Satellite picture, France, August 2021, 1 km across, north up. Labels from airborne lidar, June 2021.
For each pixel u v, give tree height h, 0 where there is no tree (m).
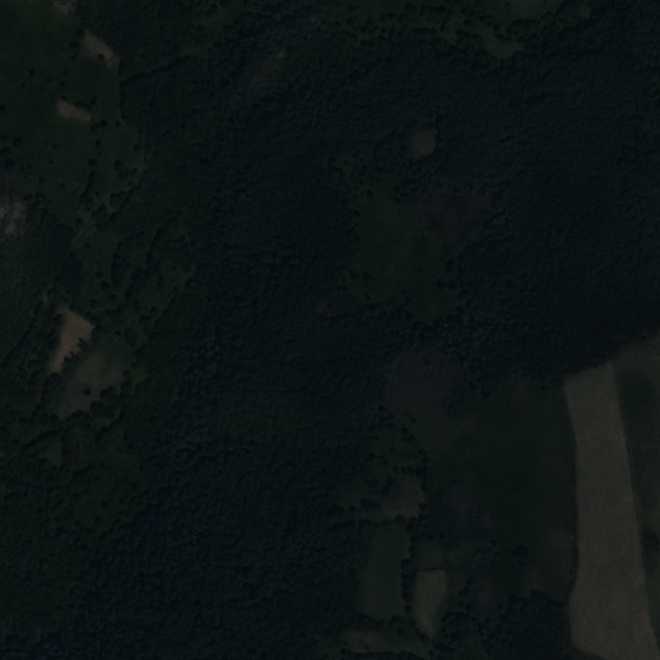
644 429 0
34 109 0
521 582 0
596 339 15
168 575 19
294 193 31
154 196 21
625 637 0
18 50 0
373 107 21
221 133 14
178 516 31
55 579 24
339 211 23
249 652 29
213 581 21
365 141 12
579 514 0
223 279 24
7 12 0
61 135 0
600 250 14
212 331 16
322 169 17
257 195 28
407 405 0
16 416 17
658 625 0
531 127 18
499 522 0
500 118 24
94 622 33
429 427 0
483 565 0
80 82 0
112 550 21
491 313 20
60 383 16
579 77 16
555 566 0
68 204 0
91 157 0
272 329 17
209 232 19
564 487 0
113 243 0
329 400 22
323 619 18
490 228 15
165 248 20
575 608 0
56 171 0
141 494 6
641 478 0
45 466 21
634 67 27
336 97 25
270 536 26
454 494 0
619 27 21
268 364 20
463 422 0
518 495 0
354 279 13
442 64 26
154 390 13
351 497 0
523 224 14
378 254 0
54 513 24
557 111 16
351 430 16
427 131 0
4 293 12
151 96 22
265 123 23
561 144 14
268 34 16
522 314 18
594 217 14
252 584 13
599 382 0
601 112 16
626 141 19
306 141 23
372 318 11
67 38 0
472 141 19
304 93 19
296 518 24
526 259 16
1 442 19
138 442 24
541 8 0
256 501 23
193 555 27
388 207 0
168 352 22
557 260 16
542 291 18
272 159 26
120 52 18
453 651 12
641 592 0
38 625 27
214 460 25
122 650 22
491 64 22
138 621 22
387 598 0
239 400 21
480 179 9
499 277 23
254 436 28
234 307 19
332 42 21
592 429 0
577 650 0
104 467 18
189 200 19
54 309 12
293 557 19
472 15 17
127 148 0
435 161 15
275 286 22
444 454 0
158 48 21
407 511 0
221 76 14
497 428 0
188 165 27
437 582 0
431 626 0
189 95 23
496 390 10
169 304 7
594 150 18
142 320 12
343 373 17
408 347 9
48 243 19
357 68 27
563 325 15
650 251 10
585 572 0
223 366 20
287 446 24
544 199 21
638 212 16
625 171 17
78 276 21
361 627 19
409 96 23
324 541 22
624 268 12
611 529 0
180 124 21
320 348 21
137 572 33
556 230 10
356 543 13
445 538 8
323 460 27
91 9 21
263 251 22
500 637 13
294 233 32
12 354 12
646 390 0
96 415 17
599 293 12
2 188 17
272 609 25
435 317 0
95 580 29
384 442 0
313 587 24
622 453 0
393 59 26
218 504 26
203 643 15
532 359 15
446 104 21
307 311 15
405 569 12
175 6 21
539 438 0
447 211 0
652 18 36
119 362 0
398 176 11
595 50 18
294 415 21
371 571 0
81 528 15
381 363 14
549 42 24
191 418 23
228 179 26
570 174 19
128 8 23
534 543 0
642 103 17
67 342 0
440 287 13
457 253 0
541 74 22
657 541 0
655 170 19
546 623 18
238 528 21
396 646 0
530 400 0
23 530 18
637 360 0
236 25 20
